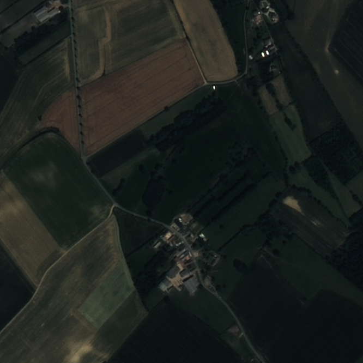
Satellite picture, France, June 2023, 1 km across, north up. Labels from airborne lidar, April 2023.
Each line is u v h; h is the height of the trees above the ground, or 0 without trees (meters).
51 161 0
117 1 0
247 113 0
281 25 0
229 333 0
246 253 0
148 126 0
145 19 0
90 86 0
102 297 0
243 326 0
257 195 0
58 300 0
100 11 0
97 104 0
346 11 0
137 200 0
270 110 0
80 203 0
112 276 0
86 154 0
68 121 0
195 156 0
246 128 0
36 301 0
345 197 0
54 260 0
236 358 0
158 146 31
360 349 0
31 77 0
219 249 7
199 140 0
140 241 0
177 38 0
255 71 0
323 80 0
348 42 0
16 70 0
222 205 0
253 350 0
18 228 0
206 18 0
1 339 0
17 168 0
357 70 0
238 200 12
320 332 0
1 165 0
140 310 0
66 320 0
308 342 0
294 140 0
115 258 0
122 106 0
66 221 0
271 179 0
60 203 0
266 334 0
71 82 0
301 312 0
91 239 0
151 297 0
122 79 0
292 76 0
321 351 0
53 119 0
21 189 0
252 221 0
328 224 0
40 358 0
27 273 0
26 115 0
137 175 0
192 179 0
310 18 0
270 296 0
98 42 0
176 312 0
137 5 0
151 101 0
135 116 0
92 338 0
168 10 0
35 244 0
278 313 0
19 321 0
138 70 0
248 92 0
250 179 9
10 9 0
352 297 0
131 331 0
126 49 0
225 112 0
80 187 0
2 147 0
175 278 0
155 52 0
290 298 0
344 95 0
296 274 0
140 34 0
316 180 16
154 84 0
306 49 0
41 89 0
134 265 0
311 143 7
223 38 0
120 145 0
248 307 0
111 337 0
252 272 0
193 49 0
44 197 0
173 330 0
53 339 0
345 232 0
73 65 0
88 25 0
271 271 0
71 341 0
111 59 0
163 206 0
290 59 0
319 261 0
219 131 0
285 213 0
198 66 0
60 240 0
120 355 0
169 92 0
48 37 0
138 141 0
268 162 0
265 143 0
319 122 0
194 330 0
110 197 0
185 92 0
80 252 0
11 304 0
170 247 10
